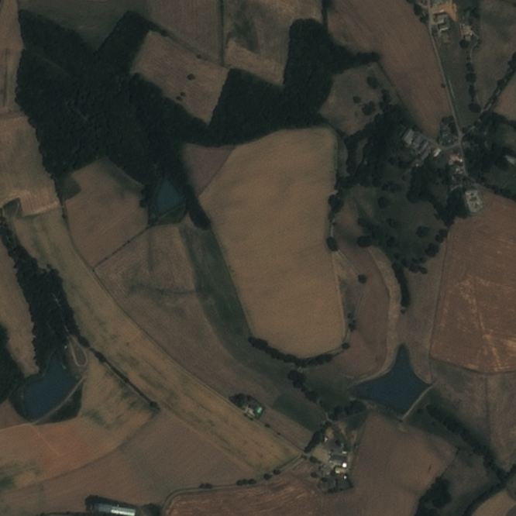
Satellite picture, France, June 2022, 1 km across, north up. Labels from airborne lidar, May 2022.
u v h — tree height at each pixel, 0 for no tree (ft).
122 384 0
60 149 63
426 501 50
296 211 0
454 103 0
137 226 0
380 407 0
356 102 38
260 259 0
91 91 27
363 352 0
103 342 0
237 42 0
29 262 53
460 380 0
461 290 0
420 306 0
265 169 0
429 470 0
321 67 54
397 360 0
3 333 41
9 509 0
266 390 0
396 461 0
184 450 0
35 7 0
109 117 51
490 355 0
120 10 0
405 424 0
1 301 0
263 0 0
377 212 0
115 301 0
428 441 0
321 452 0
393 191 73
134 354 0
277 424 0
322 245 0
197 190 0
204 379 0
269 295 0
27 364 0
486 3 0
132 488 0
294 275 0
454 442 0
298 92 54
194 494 0
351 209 0
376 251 0
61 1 0
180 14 0
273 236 0
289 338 0
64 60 38
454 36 0
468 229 0
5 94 0
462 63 0
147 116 66
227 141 50
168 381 0
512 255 0
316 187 0
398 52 0
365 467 0
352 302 0
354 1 0
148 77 0
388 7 0
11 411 0
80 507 0
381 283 0
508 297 0
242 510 0
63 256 0
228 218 0
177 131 56
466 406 0
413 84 0
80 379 0
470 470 0
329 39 72
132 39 54
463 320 0
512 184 0
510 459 0
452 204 60
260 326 0
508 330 0
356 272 0
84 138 62
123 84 83
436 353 0
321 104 58
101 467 0
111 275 0
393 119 83
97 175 0
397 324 0
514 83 0
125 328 0
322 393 0
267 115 66
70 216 0
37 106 56
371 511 0
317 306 0
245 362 0
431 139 0
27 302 37
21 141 0
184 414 0
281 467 0
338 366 0
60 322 67
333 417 49
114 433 0
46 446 0
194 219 55
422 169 52
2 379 47
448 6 0
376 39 0
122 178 0
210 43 0
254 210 0
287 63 31
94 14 0
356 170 51
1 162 0
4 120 0
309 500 0
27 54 31
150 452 0
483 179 40
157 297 0
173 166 56
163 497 0
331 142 0
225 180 0
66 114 63
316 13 0
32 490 0
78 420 0
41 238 0
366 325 0
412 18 0
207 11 0
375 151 61
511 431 0
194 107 0
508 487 0
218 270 0
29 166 0
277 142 0
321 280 0
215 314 0
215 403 0
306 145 0
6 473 0
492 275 0
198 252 0
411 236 0
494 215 0
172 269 0
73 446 0
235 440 0
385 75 0
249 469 0
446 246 0
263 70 0
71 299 0
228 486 0
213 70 0
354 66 49
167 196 0
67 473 0
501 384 0
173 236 0
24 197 0
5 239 21
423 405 0
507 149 37
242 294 0
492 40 0
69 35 41
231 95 57
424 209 0
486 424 0
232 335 0
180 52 0
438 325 0
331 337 0
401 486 0
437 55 0
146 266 0
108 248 0
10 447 0
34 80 46
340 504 0
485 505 0
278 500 0
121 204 0
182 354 0
